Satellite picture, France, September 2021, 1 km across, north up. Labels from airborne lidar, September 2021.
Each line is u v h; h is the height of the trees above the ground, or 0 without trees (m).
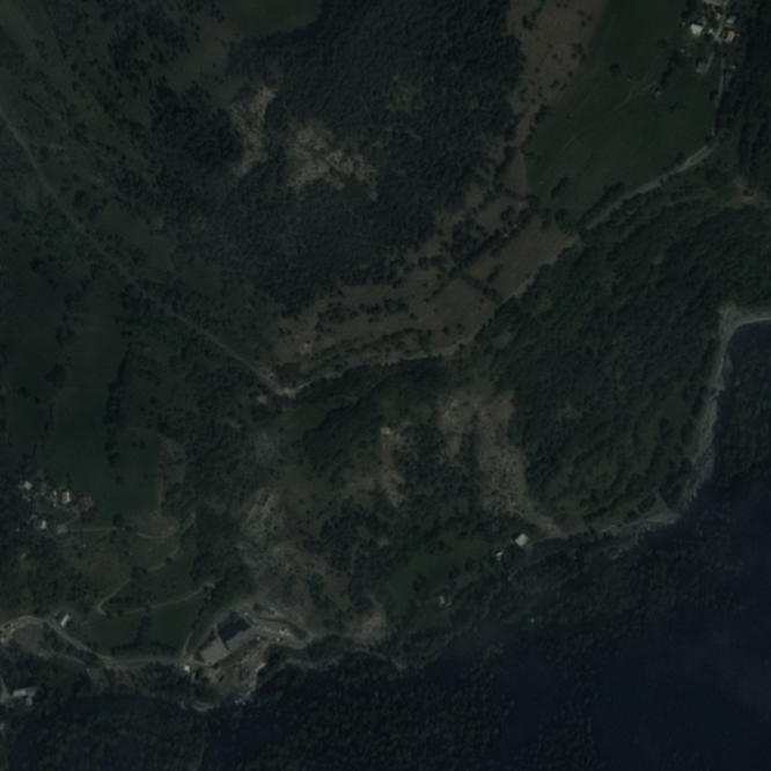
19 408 0
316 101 24
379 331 0
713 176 21
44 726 11
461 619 10
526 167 0
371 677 7
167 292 14
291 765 25
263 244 10
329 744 18
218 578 14
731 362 0
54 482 6
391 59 23
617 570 14
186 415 6
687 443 16
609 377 8
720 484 12
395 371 9
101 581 0
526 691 18
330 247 17
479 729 18
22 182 14
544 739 18
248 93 14
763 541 15
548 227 13
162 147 8
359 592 13
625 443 15
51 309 0
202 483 13
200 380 10
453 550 10
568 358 23
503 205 0
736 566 20
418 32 27
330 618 9
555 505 12
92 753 24
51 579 16
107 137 0
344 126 15
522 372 17
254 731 20
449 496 13
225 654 0
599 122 0
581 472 17
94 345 0
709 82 0
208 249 12
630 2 0
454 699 29
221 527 17
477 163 22
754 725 23
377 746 24
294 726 19
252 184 12
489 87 7
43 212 20
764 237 8
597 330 16
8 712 8
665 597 25
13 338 0
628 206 14
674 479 13
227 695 0
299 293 13
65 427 0
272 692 17
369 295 0
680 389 0
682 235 19
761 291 26
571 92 0
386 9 20
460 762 12
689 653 27
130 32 13
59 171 0
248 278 11
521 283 0
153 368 16
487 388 0
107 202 9
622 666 27
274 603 0
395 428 6
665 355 23
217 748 17
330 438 14
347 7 21
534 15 8
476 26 28
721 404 0
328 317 12
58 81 0
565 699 16
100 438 0
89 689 26
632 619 28
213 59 0
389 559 12
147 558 0
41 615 12
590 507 12
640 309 21
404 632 22
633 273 17
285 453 7
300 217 11
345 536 12
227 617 0
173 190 11
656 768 23
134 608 11
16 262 0
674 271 19
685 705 25
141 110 0
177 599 0
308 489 0
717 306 25
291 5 0
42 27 0
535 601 12
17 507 14
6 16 0
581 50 9
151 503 0
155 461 0
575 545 7
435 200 18
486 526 12
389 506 12
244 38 0
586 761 22
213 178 7
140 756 23
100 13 0
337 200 15
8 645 0
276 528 7
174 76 0
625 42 0
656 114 0
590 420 17
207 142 17
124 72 7
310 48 19
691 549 25
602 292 17
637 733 26
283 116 15
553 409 20
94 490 0
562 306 11
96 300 0
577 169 0
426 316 0
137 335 16
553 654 25
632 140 0
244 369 13
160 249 0
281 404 10
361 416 14
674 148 0
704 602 25
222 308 10
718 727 15
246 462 8
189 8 9
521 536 0
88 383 0
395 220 17
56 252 14
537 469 17
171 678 24
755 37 17
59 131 0
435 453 13
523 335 16
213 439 10
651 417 20
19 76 12
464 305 0
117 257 15
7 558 17
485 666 20
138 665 0
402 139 16
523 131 0
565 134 0
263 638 0
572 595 24
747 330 0
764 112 19
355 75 21
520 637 7
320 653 13
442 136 12
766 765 23
